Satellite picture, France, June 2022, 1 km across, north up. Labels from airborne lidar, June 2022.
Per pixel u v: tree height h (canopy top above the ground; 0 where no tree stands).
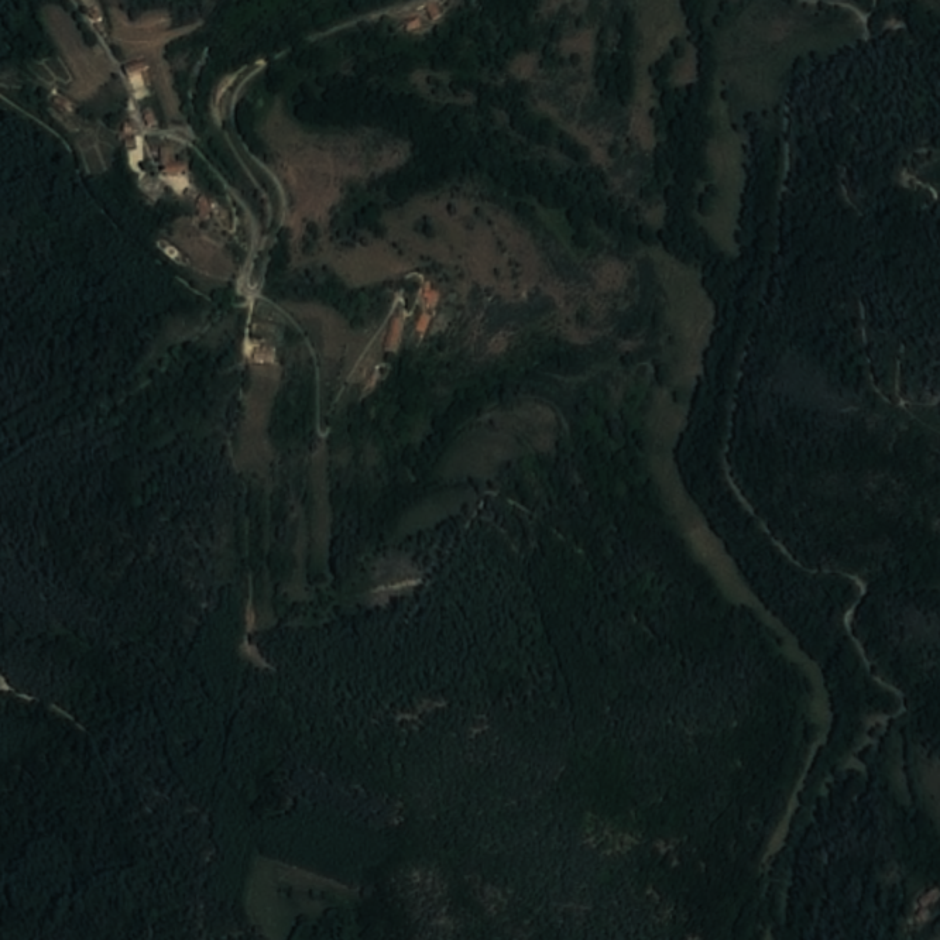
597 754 15
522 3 15
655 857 15
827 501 7
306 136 0
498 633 23
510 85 9
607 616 15
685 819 16
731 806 18
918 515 8
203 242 0
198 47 12
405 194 13
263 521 12
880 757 14
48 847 25
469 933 12
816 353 12
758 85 0
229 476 11
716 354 19
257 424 0
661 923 9
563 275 0
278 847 23
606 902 12
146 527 17
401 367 8
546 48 12
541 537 9
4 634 13
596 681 15
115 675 20
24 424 9
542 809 12
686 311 0
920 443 12
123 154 11
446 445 9
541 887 8
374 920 14
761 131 18
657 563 21
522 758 10
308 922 18
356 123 12
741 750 20
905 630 9
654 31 0
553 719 13
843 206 14
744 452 15
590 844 9
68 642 20
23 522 13
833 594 23
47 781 17
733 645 19
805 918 12
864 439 8
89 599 19
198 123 9
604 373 0
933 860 22
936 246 17
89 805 16
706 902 22
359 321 9
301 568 0
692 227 23
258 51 16
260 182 0
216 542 14
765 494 13
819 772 22
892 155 12
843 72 21
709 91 20
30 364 7
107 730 10
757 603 0
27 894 28
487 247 0
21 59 9
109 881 33
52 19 0
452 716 15
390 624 21
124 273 27
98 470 16
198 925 13
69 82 0
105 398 11
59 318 16
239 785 28
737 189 0
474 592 17
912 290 18
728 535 14
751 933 19
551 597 18
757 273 22
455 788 8
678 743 15
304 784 17
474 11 9
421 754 14
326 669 16
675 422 0
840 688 22
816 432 10
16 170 35
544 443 0
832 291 17
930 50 11
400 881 10
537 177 21
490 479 0
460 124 18
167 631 17
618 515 19
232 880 19
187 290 11
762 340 14
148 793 16
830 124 10
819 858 21
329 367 0
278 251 12
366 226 13
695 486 22
